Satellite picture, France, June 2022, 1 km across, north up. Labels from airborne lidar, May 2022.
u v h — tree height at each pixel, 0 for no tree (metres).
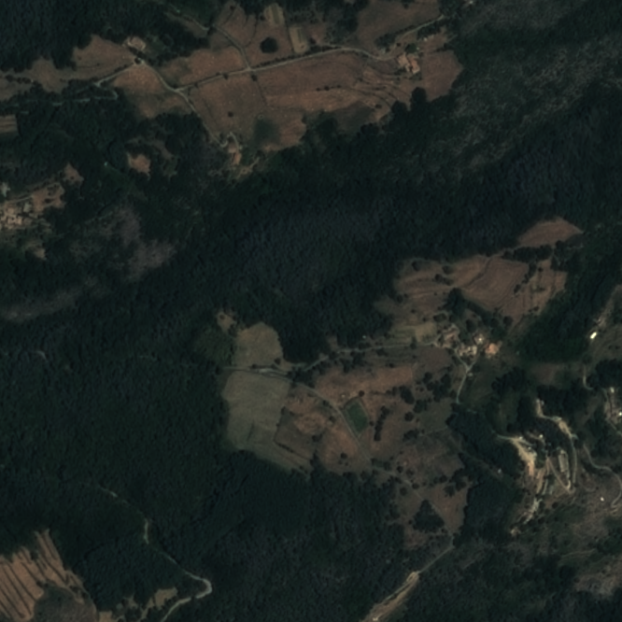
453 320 11
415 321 0
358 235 18
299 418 0
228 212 11
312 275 10
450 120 7
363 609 14
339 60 0
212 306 12
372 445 0
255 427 0
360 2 8
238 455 20
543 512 7
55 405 20
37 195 0
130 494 17
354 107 0
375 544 12
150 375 25
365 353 6
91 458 16
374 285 15
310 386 7
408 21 0
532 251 7
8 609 0
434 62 0
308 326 14
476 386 0
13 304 9
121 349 16
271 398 0
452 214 22
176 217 14
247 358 0
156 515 25
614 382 16
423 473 0
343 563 11
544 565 18
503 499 26
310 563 11
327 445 0
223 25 0
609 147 10
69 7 21
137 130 8
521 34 7
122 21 7
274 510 34
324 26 0
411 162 7
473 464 17
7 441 19
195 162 8
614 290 25
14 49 14
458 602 11
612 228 5
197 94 0
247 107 0
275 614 12
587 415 7
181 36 10
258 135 0
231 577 8
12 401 17
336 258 12
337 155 16
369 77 0
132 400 23
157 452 18
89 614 0
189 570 19
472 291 0
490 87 6
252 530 17
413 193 21
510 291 0
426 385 7
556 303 11
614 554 11
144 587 28
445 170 13
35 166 8
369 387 0
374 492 14
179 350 14
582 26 10
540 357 12
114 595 27
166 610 18
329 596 9
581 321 13
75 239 6
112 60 0
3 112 10
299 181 9
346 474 13
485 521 21
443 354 0
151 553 24
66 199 11
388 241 15
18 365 17
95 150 14
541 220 6
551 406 7
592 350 0
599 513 0
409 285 0
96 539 21
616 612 27
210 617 15
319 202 24
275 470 27
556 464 0
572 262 10
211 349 19
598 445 9
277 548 22
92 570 30
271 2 8
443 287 0
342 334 14
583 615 11
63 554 10
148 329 13
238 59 0
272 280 13
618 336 0
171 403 20
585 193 26
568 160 10
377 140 12
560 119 9
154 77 0
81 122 12
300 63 0
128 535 20
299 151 8
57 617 0
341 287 18
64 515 13
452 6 7
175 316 10
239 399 0
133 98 0
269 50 9
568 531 0
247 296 13
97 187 12
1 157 8
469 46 10
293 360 12
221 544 27
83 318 17
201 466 18
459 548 13
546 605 7
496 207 14
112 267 9
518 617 16
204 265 16
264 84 0
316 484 12
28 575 0
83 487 16
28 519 11
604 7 11
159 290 16
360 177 11
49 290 22
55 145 13
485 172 13
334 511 22
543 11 6
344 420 0
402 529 15
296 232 22
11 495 16
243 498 32
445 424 0
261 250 18
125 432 19
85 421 19
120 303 25
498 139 10
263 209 22
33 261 18
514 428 17
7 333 24
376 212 15
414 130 14
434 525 7
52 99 13
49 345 21
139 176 15
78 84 12
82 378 19
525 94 8
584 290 11
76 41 18
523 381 16
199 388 16
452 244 11
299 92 0
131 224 0
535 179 15
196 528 26
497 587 14
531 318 7
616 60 6
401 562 8
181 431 16
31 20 18
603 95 13
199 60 0
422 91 11
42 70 0
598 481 0
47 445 19
